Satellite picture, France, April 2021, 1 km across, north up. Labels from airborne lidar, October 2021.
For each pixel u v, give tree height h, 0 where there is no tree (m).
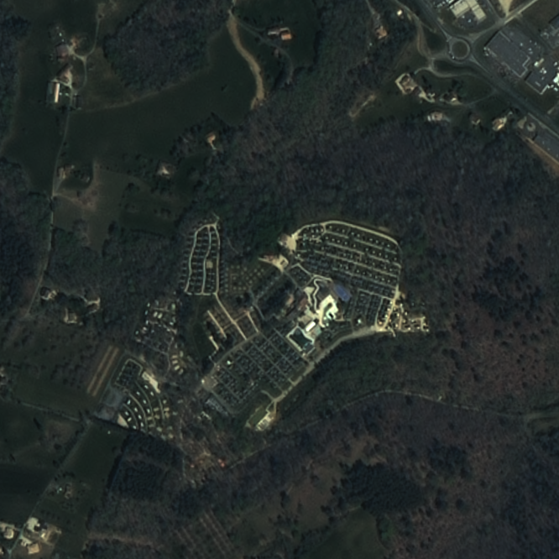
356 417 10
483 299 18
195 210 11
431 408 7
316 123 17
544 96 0
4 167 17
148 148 0
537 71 0
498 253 7
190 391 23
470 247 14
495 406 20
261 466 13
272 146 19
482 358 13
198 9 17
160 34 17
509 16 0
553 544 9
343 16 28
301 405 10
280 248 12
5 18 13
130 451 19
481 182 14
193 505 26
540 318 8
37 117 0
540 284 11
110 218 0
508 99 0
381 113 0
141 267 12
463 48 0
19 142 0
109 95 0
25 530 0
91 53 0
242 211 19
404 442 10
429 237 10
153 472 22
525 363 6
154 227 0
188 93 0
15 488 0
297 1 0
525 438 13
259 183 18
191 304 22
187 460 20
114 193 0
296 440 16
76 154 0
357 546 0
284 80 12
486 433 9
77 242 12
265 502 15
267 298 11
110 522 14
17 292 21
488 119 0
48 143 0
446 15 0
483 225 11
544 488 17
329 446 12
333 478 0
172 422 17
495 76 0
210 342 0
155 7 16
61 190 0
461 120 0
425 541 7
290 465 16
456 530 9
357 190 18
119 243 10
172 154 11
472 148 22
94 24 0
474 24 0
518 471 15
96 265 19
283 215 19
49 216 9
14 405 10
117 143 0
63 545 0
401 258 17
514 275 20
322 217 17
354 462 0
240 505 18
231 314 7
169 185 6
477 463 9
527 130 0
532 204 13
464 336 19
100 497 0
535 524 15
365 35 17
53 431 0
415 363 16
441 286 15
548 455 30
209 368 21
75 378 10
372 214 14
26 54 0
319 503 0
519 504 13
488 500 15
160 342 19
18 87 9
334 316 0
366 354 18
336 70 18
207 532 8
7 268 23
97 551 16
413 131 13
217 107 0
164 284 11
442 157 22
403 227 15
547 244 13
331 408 15
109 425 14
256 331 7
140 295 10
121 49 13
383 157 10
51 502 0
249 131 17
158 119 0
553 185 10
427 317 14
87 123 0
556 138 0
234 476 19
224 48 0
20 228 22
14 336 12
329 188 10
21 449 0
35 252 19
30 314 5
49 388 0
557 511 12
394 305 0
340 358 20
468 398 14
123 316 12
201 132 18
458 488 11
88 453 0
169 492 13
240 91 0
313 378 11
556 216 14
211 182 17
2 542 6
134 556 22
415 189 12
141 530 14
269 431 15
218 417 16
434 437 8
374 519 19
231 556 10
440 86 0
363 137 10
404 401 9
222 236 15
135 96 14
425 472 17
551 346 15
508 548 12
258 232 23
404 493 24
